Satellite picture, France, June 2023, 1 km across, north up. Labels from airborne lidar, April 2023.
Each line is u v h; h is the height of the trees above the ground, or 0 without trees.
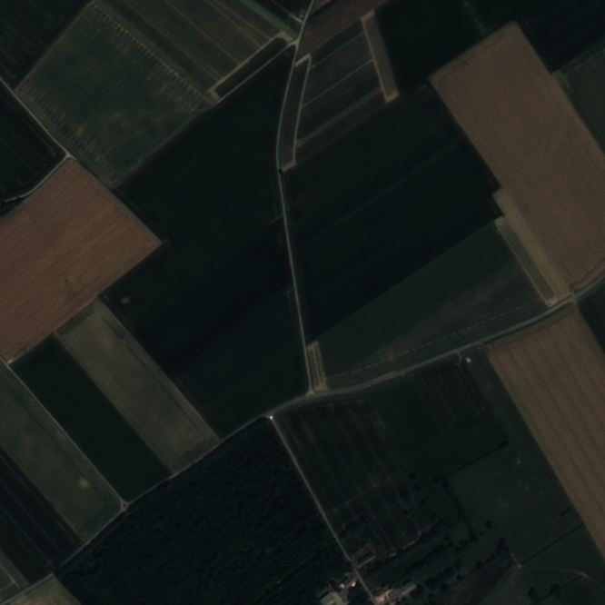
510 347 0
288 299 0
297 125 0
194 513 12
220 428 0
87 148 0
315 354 0
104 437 0
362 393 0
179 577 13
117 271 0
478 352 0
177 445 0
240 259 0
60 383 0
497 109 0
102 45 0
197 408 0
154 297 0
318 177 0
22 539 0
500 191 0
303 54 0
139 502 10
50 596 0
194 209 0
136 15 0
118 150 0
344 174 0
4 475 0
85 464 0
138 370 0
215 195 0
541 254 0
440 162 0
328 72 0
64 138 0
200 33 0
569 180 0
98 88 0
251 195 0
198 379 0
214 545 10
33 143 0
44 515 0
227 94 0
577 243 0
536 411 0
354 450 0
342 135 0
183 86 0
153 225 0
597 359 0
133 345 0
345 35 0
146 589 13
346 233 0
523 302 0
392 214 0
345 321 0
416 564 7
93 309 0
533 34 0
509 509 0
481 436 0
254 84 0
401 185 0
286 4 0
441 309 0
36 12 0
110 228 0
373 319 0
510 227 0
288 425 0
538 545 0
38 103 0
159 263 0
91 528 0
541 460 0
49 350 0
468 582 0
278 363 0
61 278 0
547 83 0
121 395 0
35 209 0
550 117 0
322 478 0
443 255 0
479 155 0
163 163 0
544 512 0
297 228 0
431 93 0
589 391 0
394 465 0
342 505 0
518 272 0
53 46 0
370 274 0
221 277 0
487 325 0
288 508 10
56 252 0
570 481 0
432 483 0
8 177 0
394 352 0
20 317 0
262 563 12
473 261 0
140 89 0
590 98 0
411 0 0
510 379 0
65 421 0
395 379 0
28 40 0
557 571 0
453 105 0
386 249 0
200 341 0
